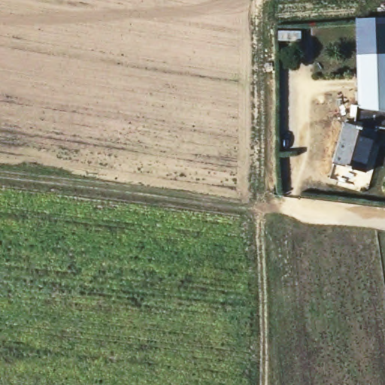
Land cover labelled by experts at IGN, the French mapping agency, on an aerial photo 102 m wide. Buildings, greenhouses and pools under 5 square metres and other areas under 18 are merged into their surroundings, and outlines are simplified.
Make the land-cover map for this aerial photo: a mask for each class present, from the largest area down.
<instances>
[{"label":"agricultural land","instance_id":"1","mask_svg":"<svg viewBox=\"0 0 385 385\"><path fill-rule=\"evenodd\" d=\"M238 0H0V164L39 162L48 167L65 168L75 174L99 179L186 189L230 199H247L251 196L248 189V171L251 141V47L248 5L239 8L236 3ZM256 215L253 211L221 209L95 189L0 179V385H259V283ZM269 385H385V230L302 223L280 212L265 215Z\"/></svg>","mask_w":385,"mask_h":385},{"label":"herbaceous vegetation","instance_id":"2","mask_svg":"<svg viewBox=\"0 0 385 385\"><path fill-rule=\"evenodd\" d=\"M365 0H266L262 5L257 44L251 47V141L248 171V189L251 196L247 199H230L186 189L99 179L75 174L65 168L48 167L39 162L0 164V179L95 189L221 209L253 211L256 202H271L277 197L284 196L281 186L277 183L275 159L277 74L274 66L280 41L278 32L295 30L301 32V39L295 42L304 53V65L311 66V77L314 80H340L356 75V20L352 14L364 6Z\"/></svg>","mask_w":385,"mask_h":385},{"label":"pervious surface","instance_id":"3","mask_svg":"<svg viewBox=\"0 0 385 385\"><path fill-rule=\"evenodd\" d=\"M266 0H238L236 3L239 8L248 5L251 47L257 44L262 5ZM311 66L304 65L299 66L296 71L289 72V129L293 134V146L289 150L292 155V189L289 196H284L277 197L271 202H256L253 211L256 215L259 283V385H269L265 215L280 212L302 223L385 230V208L302 197L301 189L305 188L334 189L335 186H341L359 191L370 183V170L359 171L352 167H337L332 164L334 144L338 143L341 126L347 123L358 125V120L355 119L356 110L361 108V105L356 99V75L340 80H314L311 77Z\"/></svg>","mask_w":385,"mask_h":385},{"label":"building","instance_id":"4","mask_svg":"<svg viewBox=\"0 0 385 385\"><path fill-rule=\"evenodd\" d=\"M356 99L361 105V108L356 110L355 119L358 120V125L347 123L341 126L338 143L334 144L332 164L337 167H352L359 171L370 170L374 161L383 165L385 161V54H376V20L371 18L356 20ZM280 41L295 42L301 39V32L295 30L278 32Z\"/></svg>","mask_w":385,"mask_h":385},{"label":"brushwood","instance_id":"5","mask_svg":"<svg viewBox=\"0 0 385 385\"><path fill-rule=\"evenodd\" d=\"M370 11H385V0H365L364 6L352 14L356 20L371 18L368 15ZM293 146V134L289 129V72L284 68L277 74L275 159L277 183L281 186L284 196H289L292 189V155L289 150ZM370 170V183L359 191L341 186H335L334 189L305 188L301 189L302 197L385 208V161L383 165L374 161Z\"/></svg>","mask_w":385,"mask_h":385},{"label":"deciduous trees","instance_id":"6","mask_svg":"<svg viewBox=\"0 0 385 385\"><path fill-rule=\"evenodd\" d=\"M304 65V53L295 42L280 41L274 66L277 74L284 68L289 72L296 71L299 66Z\"/></svg>","mask_w":385,"mask_h":385},{"label":"impervious surface","instance_id":"7","mask_svg":"<svg viewBox=\"0 0 385 385\"><path fill-rule=\"evenodd\" d=\"M368 15L371 18L376 20V54H385V11H370Z\"/></svg>","mask_w":385,"mask_h":385}]
</instances>
